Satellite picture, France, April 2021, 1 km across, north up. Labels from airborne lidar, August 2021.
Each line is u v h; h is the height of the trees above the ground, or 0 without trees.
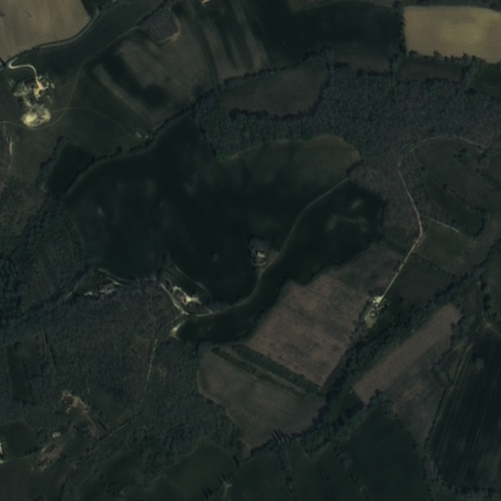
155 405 6
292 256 0
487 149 10
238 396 0
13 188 7
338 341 0
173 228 0
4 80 0
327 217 0
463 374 0
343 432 26
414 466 0
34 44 0
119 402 12
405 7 17
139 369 12
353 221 0
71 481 11
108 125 0
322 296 0
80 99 0
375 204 0
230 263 0
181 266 0
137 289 9
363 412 20
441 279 0
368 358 25
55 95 0
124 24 0
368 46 0
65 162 0
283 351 0
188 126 0
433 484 13
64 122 0
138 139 0
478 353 0
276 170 0
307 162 0
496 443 0
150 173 0
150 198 0
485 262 6
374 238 0
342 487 0
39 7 0
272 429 0
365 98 21
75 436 0
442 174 0
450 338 0
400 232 12
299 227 0
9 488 0
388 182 16
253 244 13
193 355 8
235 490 0
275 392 0
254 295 0
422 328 0
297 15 0
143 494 0
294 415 0
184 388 15
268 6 0
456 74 0
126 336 15
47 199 9
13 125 0
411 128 20
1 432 0
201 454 0
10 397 19
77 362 11
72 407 0
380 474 0
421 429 0
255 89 0
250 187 0
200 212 0
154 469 7
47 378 11
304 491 0
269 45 0
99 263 0
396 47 0
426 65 0
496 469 0
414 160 12
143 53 0
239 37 0
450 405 0
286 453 13
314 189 0
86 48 0
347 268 0
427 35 0
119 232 0
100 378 10
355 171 15
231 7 0
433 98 17
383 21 0
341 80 18
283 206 0
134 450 0
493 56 0
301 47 0
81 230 0
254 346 0
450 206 0
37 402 12
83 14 0
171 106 0
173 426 17
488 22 0
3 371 14
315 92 0
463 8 0
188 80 0
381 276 0
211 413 24
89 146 0
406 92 16
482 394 0
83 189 0
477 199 0
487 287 14
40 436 14
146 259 0
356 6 0
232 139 19
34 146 0
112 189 0
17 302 9
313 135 17
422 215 17
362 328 15
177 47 0
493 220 0
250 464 0
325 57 15
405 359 0
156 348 8
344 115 20
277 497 0
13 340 18
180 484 0
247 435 0
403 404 0
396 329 13
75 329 13
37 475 0
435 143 0
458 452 0
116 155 7
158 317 10
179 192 0
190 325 0
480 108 20
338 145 0
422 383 0
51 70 0
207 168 0
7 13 0
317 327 0
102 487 0
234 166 0
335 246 0
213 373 0
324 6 0
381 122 21
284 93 0
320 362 0
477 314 0
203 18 0
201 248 0
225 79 0
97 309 11
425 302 0
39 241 7
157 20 15
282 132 24
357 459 0
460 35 0
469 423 0
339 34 0
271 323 0
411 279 0
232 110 0
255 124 24
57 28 0
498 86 0
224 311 22
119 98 0
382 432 0
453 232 0
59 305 17
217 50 0
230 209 0
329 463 0
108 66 0
